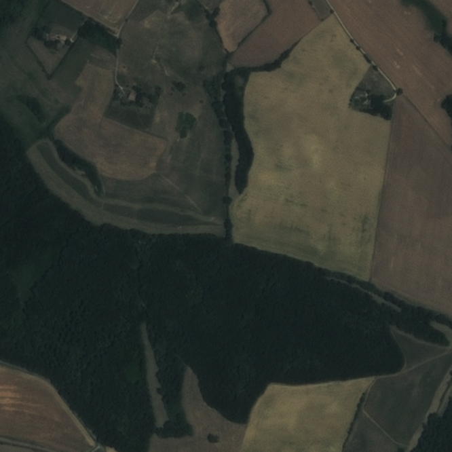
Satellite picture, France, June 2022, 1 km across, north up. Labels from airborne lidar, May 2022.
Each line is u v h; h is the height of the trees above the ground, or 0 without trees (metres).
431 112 0
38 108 11
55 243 7
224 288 27
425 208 0
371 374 12
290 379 17
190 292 21
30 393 0
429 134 0
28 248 8
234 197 0
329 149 0
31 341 19
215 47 0
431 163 0
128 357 7
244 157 11
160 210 0
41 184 22
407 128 0
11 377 0
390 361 14
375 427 0
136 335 11
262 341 23
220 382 17
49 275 22
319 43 0
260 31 0
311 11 0
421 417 0
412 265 0
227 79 17
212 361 16
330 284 16
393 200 0
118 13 0
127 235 23
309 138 0
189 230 0
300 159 0
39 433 0
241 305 25
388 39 0
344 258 0
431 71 0
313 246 0
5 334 23
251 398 16
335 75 0
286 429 0
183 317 15
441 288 0
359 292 17
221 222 0
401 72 0
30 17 0
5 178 24
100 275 27
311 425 0
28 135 0
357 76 0
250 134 0
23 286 0
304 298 15
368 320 19
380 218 0
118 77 0
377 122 0
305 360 18
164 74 0
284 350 17
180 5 0
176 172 0
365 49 0
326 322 18
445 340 12
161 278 22
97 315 24
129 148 0
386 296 11
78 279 18
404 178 0
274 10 0
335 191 0
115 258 28
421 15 0
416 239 0
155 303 14
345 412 0
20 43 0
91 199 0
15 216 19
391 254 0
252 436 0
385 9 0
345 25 0
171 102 0
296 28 0
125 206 0
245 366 17
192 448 0
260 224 0
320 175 0
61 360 25
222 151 0
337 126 0
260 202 0
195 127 0
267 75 0
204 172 0
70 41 6
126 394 20
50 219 14
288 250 0
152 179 0
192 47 0
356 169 0
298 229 0
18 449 0
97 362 28
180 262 18
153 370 0
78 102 0
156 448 0
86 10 0
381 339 18
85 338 20
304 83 0
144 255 15
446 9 0
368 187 0
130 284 25
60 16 0
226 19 0
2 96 0
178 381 15
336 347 16
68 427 0
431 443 23
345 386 0
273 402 0
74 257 27
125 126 0
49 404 0
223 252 18
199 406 0
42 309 11
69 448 0
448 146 0
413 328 20
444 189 0
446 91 0
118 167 0
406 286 0
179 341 7
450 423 21
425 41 0
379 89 0
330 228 0
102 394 23
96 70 0
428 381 0
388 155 0
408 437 0
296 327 19
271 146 0
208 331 17
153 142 0
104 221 0
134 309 27
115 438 13
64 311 17
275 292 20
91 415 24
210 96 8
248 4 0
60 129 0
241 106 12
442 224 0
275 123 0
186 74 0
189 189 0
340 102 0
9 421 0
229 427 0
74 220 19
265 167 0
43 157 0
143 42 0
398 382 0
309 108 0
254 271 17
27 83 0
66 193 0
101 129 0
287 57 12
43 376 15
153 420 19
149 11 0
